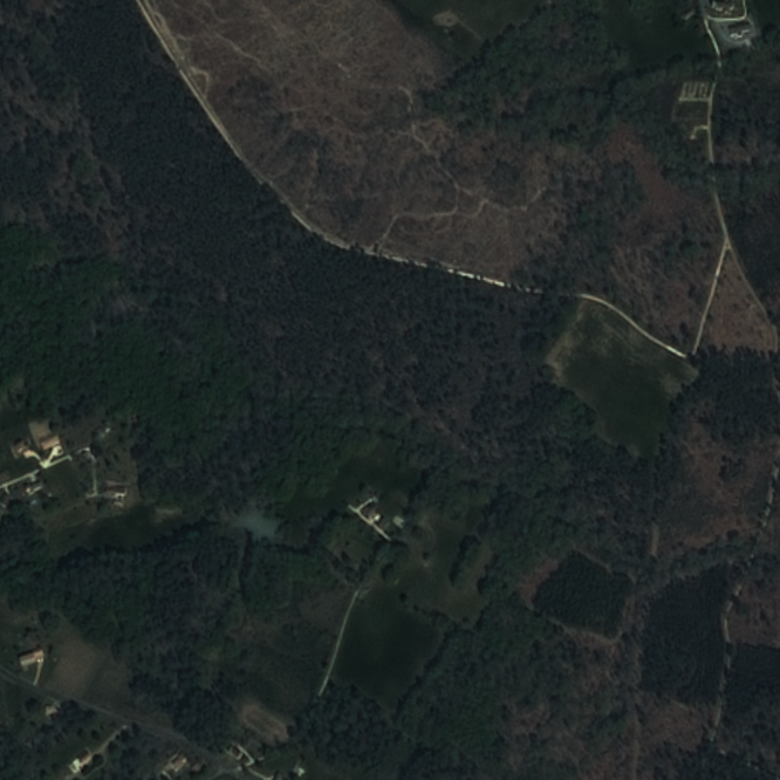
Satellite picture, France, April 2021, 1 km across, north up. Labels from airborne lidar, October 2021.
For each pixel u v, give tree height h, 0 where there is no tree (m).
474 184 0
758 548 23
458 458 16
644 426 0
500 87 14
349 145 8
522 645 16
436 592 0
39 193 22
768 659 8
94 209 22
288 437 25
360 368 26
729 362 13
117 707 0
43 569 23
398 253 0
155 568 24
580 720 12
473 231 0
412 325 15
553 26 13
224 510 13
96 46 20
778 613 9
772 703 22
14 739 11
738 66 18
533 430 0
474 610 0
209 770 9
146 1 0
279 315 24
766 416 0
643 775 12
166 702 12
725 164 20
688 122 0
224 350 19
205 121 13
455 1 0
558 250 14
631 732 6
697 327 0
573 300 15
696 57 0
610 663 18
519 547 23
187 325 23
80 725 19
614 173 15
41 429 0
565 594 12
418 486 0
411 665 0
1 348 21
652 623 7
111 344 21
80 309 24
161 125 22
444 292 17
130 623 23
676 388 0
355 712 19
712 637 9
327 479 18
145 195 25
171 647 16
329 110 0
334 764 13
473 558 21
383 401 15
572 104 10
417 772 23
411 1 0
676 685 19
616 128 23
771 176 21
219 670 9
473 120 18
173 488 27
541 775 16
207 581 18
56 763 0
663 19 0
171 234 24
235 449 30
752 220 7
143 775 9
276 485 22
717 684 10
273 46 0
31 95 14
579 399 15
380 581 0
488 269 0
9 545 27
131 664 11
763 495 0
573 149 23
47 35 23
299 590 9
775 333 0
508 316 6
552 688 16
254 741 5
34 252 24
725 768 24
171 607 21
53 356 21
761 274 7
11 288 21
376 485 0
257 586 24
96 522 0
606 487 0
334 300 23
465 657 13
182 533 0
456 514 21
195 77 0
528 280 17
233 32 0
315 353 21
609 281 17
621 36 0
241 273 24
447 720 15
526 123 24
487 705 17
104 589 17
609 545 20
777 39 20
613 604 11
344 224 13
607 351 0
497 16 0
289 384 25
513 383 15
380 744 22
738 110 16
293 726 0
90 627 20
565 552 19
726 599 12
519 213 0
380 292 23
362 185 8
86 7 27
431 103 22
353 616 0
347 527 18
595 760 11
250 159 0
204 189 23
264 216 19
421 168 11
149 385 25
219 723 27
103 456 9
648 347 0
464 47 0
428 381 17
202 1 0
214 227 23
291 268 25
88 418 20
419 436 22
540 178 0
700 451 10
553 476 22
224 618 17
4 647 0
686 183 21
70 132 19
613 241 15
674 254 14
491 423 20
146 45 20
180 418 21
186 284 26
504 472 16
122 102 19
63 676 0
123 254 10
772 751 9
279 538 8
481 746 18
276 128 7
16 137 13
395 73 0
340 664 0
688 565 17
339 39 0
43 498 10
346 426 24
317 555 21
